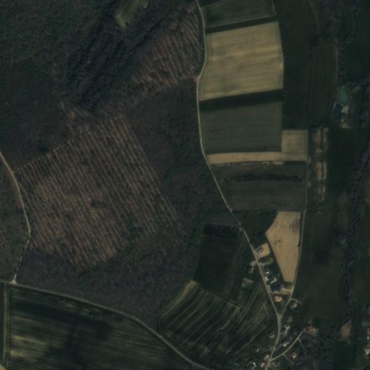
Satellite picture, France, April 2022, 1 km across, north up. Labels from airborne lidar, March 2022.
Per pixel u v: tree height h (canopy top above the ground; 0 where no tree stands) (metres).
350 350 0
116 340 0
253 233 0
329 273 0
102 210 27
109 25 26
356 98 0
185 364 0
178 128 17
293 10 0
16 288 0
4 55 25
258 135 0
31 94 13
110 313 0
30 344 0
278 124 0
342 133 0
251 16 0
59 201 0
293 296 0
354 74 0
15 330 0
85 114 27
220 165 0
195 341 0
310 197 0
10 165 14
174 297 27
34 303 0
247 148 0
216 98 0
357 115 0
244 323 0
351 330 0
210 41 0
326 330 0
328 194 0
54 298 0
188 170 17
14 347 0
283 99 6
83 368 0
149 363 0
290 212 0
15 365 0
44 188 0
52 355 0
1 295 0
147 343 0
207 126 0
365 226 0
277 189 0
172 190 15
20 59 25
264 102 0
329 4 20
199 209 16
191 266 23
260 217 0
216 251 0
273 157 0
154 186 18
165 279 34
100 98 25
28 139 12
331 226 0
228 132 0
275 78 0
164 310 17
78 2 26
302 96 0
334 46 0
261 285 0
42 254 29
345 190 0
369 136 0
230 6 0
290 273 0
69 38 25
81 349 0
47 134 12
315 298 0
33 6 24
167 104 15
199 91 0
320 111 0
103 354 0
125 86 17
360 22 0
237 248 0
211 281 0
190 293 0
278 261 0
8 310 0
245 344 0
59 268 31
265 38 0
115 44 16
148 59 23
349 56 0
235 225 16
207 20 0
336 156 0
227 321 0
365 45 0
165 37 26
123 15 0
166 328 0
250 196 0
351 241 0
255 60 0
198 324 0
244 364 18
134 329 0
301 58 0
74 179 0
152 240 17
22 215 15
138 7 0
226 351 0
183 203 16
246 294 0
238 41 0
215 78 0
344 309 0
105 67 19
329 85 0
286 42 0
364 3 0
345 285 0
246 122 0
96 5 17
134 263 17
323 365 0
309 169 0
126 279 21
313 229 0
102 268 23
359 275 0
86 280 27
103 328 0
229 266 0
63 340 0
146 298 28
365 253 0
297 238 0
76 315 0
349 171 0
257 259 0
